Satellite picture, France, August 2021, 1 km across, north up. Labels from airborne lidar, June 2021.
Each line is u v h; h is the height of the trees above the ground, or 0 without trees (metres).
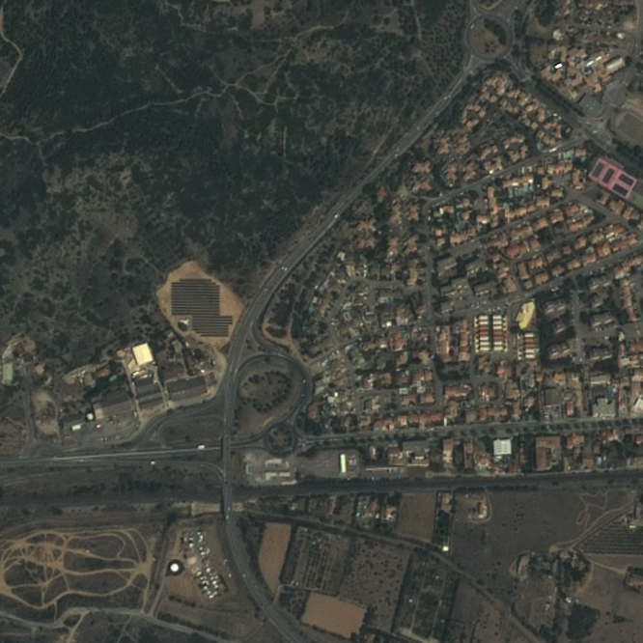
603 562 0
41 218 0
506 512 0
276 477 0
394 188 7
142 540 0
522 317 0
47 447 0
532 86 0
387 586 0
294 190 0
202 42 0
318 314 0
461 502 0
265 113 0
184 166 0
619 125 0
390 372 9
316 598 0
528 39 10
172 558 0
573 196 0
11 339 0
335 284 0
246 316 0
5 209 0
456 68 7
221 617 0
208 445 0
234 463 0
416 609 0
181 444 0
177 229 0
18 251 0
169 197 0
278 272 0
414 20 8
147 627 0
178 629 0
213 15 0
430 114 0
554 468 6
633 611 0
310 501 7
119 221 0
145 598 0
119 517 0
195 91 0
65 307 0
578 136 0
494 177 0
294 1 9
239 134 0
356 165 0
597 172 0
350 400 0
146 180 0
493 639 0
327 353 0
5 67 0
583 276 7
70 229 0
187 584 0
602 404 0
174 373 0
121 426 0
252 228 0
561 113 0
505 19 0
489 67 8
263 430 0
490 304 0
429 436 10
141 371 0
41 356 0
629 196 0
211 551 0
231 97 0
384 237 7
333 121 0
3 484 0
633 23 0
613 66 0
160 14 0
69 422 0
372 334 0
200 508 0
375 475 0
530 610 0
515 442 7
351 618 0
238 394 0
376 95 0
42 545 0
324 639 0
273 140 0
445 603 0
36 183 0
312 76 0
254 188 0
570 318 8
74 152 7
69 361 0
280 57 0
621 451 8
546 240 14
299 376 0
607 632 0
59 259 0
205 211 0
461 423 8
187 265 0
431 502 0
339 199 0
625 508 0
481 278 10
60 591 0
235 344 0
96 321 0
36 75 8
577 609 6
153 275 0
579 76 0
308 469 0
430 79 6
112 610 0
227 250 0
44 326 0
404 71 7
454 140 7
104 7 7
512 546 0
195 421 0
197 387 0
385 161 0
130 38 0
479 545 0
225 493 0
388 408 7
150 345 10
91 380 0
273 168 0
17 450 0
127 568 0
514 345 0
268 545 0
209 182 0
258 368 0
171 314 0
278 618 0
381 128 0
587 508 0
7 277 0
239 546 0
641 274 0
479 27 0
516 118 6
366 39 0
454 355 9
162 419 0
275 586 0
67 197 0
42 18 5
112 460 0
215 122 0
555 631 8
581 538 0
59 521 0
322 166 11
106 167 0
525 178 0
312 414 0
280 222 8
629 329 0
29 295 0
